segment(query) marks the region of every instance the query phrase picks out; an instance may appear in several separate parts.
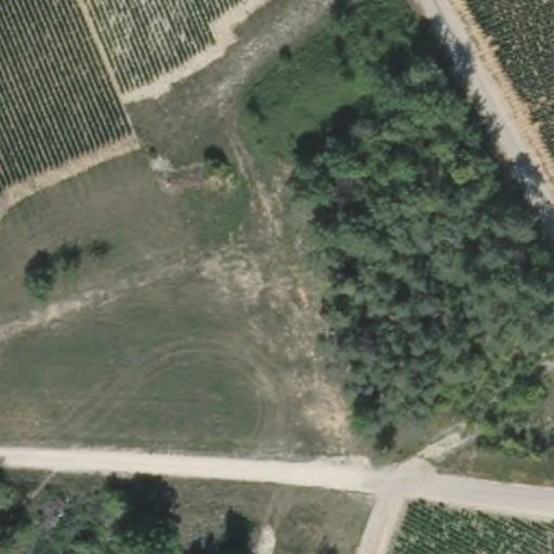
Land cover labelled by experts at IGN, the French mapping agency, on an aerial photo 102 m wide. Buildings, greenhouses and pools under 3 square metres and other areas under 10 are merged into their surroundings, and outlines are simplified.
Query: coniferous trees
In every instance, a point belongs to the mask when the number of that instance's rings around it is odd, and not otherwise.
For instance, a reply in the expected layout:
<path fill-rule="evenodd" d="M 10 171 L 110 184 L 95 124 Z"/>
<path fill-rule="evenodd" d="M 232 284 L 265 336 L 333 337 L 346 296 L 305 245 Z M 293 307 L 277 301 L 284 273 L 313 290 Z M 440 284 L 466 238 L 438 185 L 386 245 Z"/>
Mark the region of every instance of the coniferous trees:
<path fill-rule="evenodd" d="M 322 236 L 322 240 L 312 245 L 312 251 L 305 255 L 307 271 L 314 271 L 316 275 L 325 273 L 331 281 L 331 286 L 322 294 L 320 314 L 344 314 L 351 325 L 338 333 L 338 348 L 344 346 L 355 348 L 359 353 L 359 359 L 351 361 L 353 374 L 348 383 L 342 385 L 342 396 L 346 405 L 353 409 L 348 418 L 351 431 L 357 433 L 364 441 L 368 441 L 374 450 L 390 450 L 394 446 L 396 433 L 403 426 L 407 426 L 409 422 L 416 424 L 418 420 L 431 422 L 437 413 L 437 407 L 448 405 L 461 422 L 489 422 L 496 428 L 493 437 L 480 435 L 476 439 L 478 450 L 498 450 L 504 457 L 524 459 L 532 452 L 539 454 L 548 448 L 554 448 L 554 208 L 541 193 L 539 169 L 530 162 L 526 154 L 519 154 L 515 160 L 504 158 L 504 154 L 498 149 L 500 130 L 493 121 L 493 115 L 483 115 L 480 97 L 467 93 L 470 76 L 474 71 L 470 50 L 461 41 L 446 41 L 446 37 L 441 37 L 441 17 L 424 17 L 418 30 L 413 32 L 411 43 L 394 43 L 379 61 L 366 63 L 366 67 L 370 67 L 377 76 L 370 95 L 335 108 L 329 117 L 325 117 L 318 123 L 316 130 L 299 136 L 299 143 L 294 147 L 296 162 L 292 164 L 292 173 L 288 177 L 288 186 L 292 188 L 292 193 L 299 199 L 307 199 L 316 208 L 309 223 L 314 225 L 314 232 Z"/>
<path fill-rule="evenodd" d="M 78 281 L 80 258 L 100 258 L 108 253 L 108 242 L 97 240 L 80 247 L 63 245 L 56 251 L 39 251 L 26 264 L 24 273 L 24 286 L 28 290 L 28 296 L 37 299 L 43 305 L 50 305 L 50 290 L 54 281 Z"/>

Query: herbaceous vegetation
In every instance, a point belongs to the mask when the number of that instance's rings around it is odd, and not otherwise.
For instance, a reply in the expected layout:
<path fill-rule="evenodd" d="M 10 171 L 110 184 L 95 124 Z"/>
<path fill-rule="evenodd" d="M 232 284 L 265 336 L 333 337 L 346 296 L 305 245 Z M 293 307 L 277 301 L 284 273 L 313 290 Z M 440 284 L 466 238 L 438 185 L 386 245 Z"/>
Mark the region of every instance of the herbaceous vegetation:
<path fill-rule="evenodd" d="M 104 483 L 106 489 L 115 493 L 119 502 L 126 504 L 123 515 L 113 524 L 113 532 L 139 532 L 143 541 L 162 541 L 180 532 L 182 545 L 186 548 L 184 554 L 357 554 L 357 548 L 361 543 L 364 530 L 372 513 L 366 491 L 260 480 L 182 478 L 156 474 L 108 476 Z"/>
<path fill-rule="evenodd" d="M 554 448 L 548 448 L 539 454 L 532 452 L 524 459 L 504 457 L 498 450 L 478 450 L 476 439 L 480 435 L 493 437 L 496 428 L 489 422 L 461 422 L 448 405 L 437 407 L 437 413 L 431 422 L 418 420 L 416 424 L 409 422 L 407 426 L 403 426 L 396 433 L 394 446 L 390 450 L 374 450 L 368 441 L 364 441 L 357 433 L 351 431 L 348 418 L 353 409 L 346 405 L 342 396 L 342 385 L 348 383 L 353 374 L 351 361 L 359 359 L 359 353 L 355 348 L 344 346 L 338 348 L 338 333 L 351 325 L 344 314 L 320 314 L 322 294 L 331 286 L 331 281 L 325 273 L 316 275 L 314 271 L 307 271 L 305 255 L 312 251 L 312 245 L 322 240 L 322 236 L 314 232 L 314 225 L 309 223 L 316 208 L 307 199 L 299 199 L 292 193 L 292 188 L 288 186 L 288 177 L 292 173 L 292 164 L 296 162 L 294 147 L 299 143 L 299 136 L 316 130 L 318 123 L 325 117 L 329 117 L 335 108 L 370 95 L 377 76 L 370 67 L 366 67 L 366 63 L 379 61 L 394 43 L 411 43 L 413 32 L 418 30 L 424 17 L 424 13 L 413 4 L 413 0 L 268 0 L 234 28 L 236 39 L 232 45 L 227 45 L 221 58 L 212 61 L 210 65 L 190 74 L 188 78 L 173 82 L 171 89 L 160 97 L 126 104 L 134 119 L 136 136 L 141 143 L 139 149 L 100 162 L 52 186 L 45 186 L 39 193 L 24 197 L 22 201 L 11 206 L 9 212 L 0 219 L 0 446 L 54 450 L 113 448 L 141 450 L 151 454 L 197 454 L 283 463 L 303 463 L 314 461 L 318 457 L 368 457 L 374 467 L 385 467 L 416 457 L 422 448 L 444 439 L 448 433 L 459 433 L 461 446 L 444 457 L 433 457 L 428 463 L 439 474 L 554 487 Z M 80 258 L 78 281 L 54 281 L 50 290 L 50 305 L 43 305 L 37 299 L 28 296 L 28 290 L 24 286 L 24 273 L 26 264 L 39 251 L 56 251 L 63 245 L 80 247 L 97 240 L 108 242 L 108 253 L 100 258 Z"/>

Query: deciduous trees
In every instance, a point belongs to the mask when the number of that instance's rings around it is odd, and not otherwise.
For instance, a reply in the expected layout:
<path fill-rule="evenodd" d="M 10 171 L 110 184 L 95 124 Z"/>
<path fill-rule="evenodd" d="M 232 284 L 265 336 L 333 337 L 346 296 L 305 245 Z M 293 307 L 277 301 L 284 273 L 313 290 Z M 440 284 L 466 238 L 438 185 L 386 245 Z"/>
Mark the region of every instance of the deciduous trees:
<path fill-rule="evenodd" d="M 182 545 L 180 532 L 162 541 L 143 541 L 139 532 L 113 532 L 113 524 L 123 515 L 126 504 L 119 502 L 115 493 L 106 489 L 104 483 L 108 476 L 97 472 L 71 474 L 52 470 L 0 467 L 0 554 L 184 554 L 186 548 Z"/>

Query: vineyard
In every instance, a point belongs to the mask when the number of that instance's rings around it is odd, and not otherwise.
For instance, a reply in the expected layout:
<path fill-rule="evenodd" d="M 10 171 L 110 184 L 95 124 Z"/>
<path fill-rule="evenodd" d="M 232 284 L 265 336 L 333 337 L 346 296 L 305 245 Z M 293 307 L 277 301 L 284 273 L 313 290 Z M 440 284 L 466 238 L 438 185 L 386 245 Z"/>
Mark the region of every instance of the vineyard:
<path fill-rule="evenodd" d="M 498 50 L 496 58 L 502 71 L 511 80 L 517 97 L 524 104 L 528 104 L 530 121 L 539 123 L 543 145 L 554 158 L 554 0 L 465 0 L 480 30 L 487 37 L 491 37 L 491 45 Z"/>
<path fill-rule="evenodd" d="M 554 522 L 526 522 L 519 517 L 489 515 L 483 511 L 457 511 L 448 509 L 441 502 L 435 504 L 426 500 L 413 500 L 407 506 L 400 528 L 392 537 L 390 554 L 554 554 Z"/>
<path fill-rule="evenodd" d="M 0 0 L 0 219 L 9 212 L 11 206 L 22 201 L 24 197 L 39 193 L 45 186 L 52 186 L 100 162 L 139 149 L 141 143 L 136 136 L 134 119 L 126 104 L 119 102 L 119 97 L 126 91 L 151 82 L 162 71 L 182 65 L 190 56 L 199 54 L 206 45 L 214 43 L 210 22 L 223 15 L 229 6 L 238 4 L 240 0 Z"/>

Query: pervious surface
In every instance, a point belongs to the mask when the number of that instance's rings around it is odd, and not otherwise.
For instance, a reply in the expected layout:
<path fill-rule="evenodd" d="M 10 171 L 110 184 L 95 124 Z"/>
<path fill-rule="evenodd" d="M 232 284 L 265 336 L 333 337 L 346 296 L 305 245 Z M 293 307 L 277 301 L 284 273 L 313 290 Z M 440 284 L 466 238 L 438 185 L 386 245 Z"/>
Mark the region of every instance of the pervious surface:
<path fill-rule="evenodd" d="M 407 506 L 413 500 L 426 500 L 435 504 L 441 502 L 448 509 L 457 511 L 483 511 L 489 515 L 519 517 L 526 522 L 554 522 L 554 487 L 439 474 L 428 463 L 433 457 L 444 457 L 461 446 L 459 433 L 448 433 L 444 439 L 422 448 L 416 457 L 385 467 L 374 467 L 368 457 L 318 457 L 314 461 L 303 463 L 283 463 L 197 454 L 151 454 L 141 450 L 113 448 L 54 450 L 0 446 L 0 467 L 52 470 L 71 474 L 97 472 L 108 476 L 156 474 L 182 478 L 260 480 L 366 491 L 372 513 L 364 530 L 361 543 L 357 548 L 357 554 L 390 554 L 392 537 L 400 528 Z"/>
<path fill-rule="evenodd" d="M 498 149 L 504 154 L 504 158 L 515 160 L 519 154 L 526 154 L 530 162 L 539 169 L 541 193 L 554 208 L 554 158 L 543 145 L 539 123 L 530 121 L 528 104 L 524 104 L 517 97 L 511 80 L 502 71 L 496 58 L 498 50 L 491 45 L 491 37 L 487 37 L 480 30 L 465 0 L 413 0 L 413 4 L 424 13 L 424 17 L 441 17 L 441 37 L 446 37 L 446 41 L 461 41 L 470 50 L 474 71 L 470 76 L 467 93 L 480 97 L 483 115 L 493 115 L 493 121 L 500 130 Z"/>
<path fill-rule="evenodd" d="M 268 0 L 240 0 L 238 4 L 229 6 L 223 15 L 210 22 L 214 43 L 206 45 L 199 54 L 190 56 L 182 65 L 162 71 L 151 82 L 126 91 L 119 97 L 119 102 L 126 104 L 160 97 L 171 89 L 173 82 L 188 78 L 190 74 L 210 65 L 212 61 L 221 58 L 227 45 L 232 45 L 236 39 L 234 28 Z"/>

